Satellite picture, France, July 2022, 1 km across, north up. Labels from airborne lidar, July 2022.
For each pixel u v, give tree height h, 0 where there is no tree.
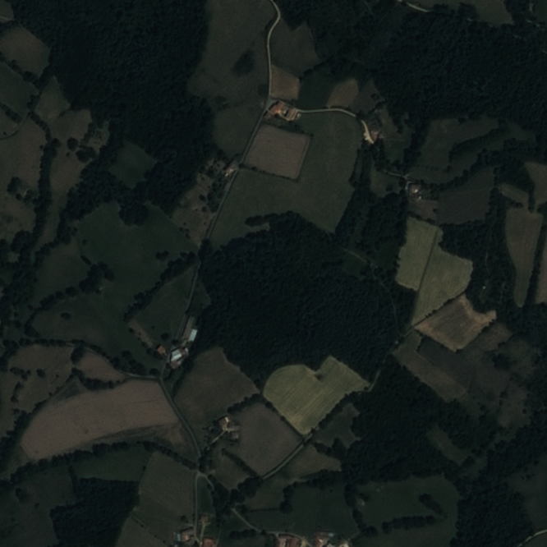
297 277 15
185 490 0
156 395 0
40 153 0
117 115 8
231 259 18
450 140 0
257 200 0
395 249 0
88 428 0
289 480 0
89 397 0
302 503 0
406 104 21
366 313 25
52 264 0
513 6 18
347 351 22
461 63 9
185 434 0
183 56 17
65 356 0
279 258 14
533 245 0
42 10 12
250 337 16
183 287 0
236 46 0
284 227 13
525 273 0
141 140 6
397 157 0
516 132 0
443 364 0
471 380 0
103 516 18
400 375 10
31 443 0
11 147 0
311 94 0
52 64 15
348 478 26
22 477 16
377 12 14
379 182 0
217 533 0
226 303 10
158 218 0
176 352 0
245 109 0
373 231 13
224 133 0
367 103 0
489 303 11
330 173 0
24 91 0
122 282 0
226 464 0
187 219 0
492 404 0
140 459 0
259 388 10
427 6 0
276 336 12
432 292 0
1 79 0
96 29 15
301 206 0
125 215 18
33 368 0
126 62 25
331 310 24
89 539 19
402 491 0
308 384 0
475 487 19
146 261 0
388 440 13
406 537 0
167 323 0
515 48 13
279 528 0
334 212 0
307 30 0
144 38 27
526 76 13
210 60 0
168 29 14
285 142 0
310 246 12
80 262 0
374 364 9
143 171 0
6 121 0
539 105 23
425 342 11
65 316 10
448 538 0
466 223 5
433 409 30
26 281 21
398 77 18
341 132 0
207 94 0
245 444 0
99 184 9
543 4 0
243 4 0
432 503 25
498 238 8
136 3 13
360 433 11
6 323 18
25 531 0
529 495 0
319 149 0
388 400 7
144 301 20
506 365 10
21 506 0
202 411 0
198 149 10
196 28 17
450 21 21
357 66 15
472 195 0
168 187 27
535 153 8
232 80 0
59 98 0
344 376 0
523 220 0
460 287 0
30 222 0
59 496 0
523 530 15
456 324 0
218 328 21
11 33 0
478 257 7
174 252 0
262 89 0
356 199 15
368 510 0
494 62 8
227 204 0
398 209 9
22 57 0
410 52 21
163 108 14
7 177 0
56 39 11
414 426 18
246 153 0
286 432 0
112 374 0
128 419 0
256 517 0
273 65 0
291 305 15
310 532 0
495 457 24
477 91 10
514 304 12
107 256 0
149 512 0
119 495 14
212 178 11
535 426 17
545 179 0
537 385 9
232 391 0
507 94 11
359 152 8
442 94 14
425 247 0
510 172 10
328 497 0
